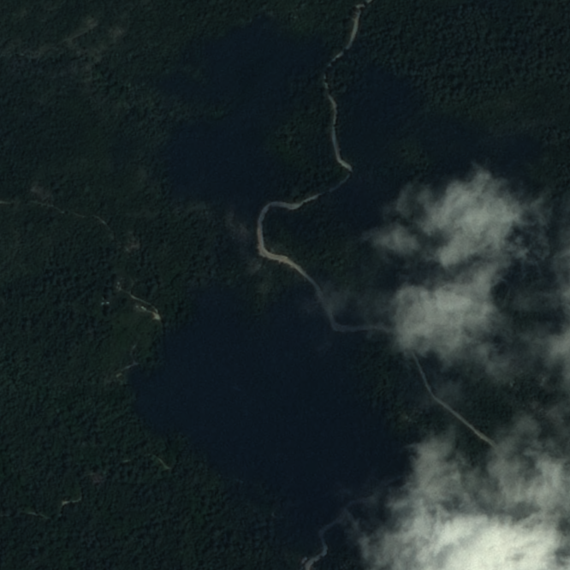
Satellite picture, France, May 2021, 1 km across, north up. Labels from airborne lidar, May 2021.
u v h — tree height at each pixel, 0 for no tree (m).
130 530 8
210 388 11
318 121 10
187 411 8
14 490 19
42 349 9
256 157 7
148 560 9
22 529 11
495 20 13
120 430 9
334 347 9
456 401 10
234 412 11
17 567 14
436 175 20
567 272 8
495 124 6
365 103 7
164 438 22
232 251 12
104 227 10
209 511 15
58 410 20
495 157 11
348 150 8
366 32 15
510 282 7
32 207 5
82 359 10
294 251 9
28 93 6
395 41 16
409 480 19
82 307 7
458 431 19
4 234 6
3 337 6
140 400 14
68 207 6
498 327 7
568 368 6
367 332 10
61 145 9
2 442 19
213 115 15
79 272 12
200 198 7
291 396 18
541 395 11
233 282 16
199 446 13
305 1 8
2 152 7
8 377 14
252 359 9
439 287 14
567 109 9
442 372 13
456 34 19
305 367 9
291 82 7
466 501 11
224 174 6
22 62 8
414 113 9
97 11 9
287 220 18
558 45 7
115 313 25
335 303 8
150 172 15
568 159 9
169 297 9
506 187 10
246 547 17
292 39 6
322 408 16
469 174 17
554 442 10
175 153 11
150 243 10
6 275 7
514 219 9
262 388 15
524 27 8
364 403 8
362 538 7
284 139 14
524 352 9
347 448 8
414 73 22
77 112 9
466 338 7
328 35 9
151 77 10
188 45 13
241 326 12
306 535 15
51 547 15
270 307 8
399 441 20
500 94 6
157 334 9
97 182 8
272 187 13
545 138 14
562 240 11
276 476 15
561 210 8
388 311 7
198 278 9
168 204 9
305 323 9
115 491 14
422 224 13
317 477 12
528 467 6
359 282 7
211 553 8
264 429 8
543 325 8
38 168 6
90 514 12
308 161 6
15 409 11
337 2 16
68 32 8
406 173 13
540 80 20
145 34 8
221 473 10
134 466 14
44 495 9
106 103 6
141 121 18
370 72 6
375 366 21
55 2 9
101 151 8
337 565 9
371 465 8
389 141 14
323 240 8
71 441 12
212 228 12
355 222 12
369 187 6
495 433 6
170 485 11
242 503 10
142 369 9
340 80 10
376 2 7
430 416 23
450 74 6
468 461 17
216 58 8
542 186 6
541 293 8
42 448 7
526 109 8
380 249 7
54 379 13
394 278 6
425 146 8
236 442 8
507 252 7
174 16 9
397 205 7
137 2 9
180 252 12
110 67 17
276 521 9
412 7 7
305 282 9
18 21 6
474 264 11
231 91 16
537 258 17
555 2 13
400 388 6
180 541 10
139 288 7
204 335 10
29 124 9
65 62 12
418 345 7
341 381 22
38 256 7
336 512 11
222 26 11
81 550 14
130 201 8
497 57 19
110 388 14
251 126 13
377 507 12
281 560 14
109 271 9
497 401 13
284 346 6
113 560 14
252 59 7
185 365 11
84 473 18
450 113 6
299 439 8
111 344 8
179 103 14
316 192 16
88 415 7
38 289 18
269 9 8
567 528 6
